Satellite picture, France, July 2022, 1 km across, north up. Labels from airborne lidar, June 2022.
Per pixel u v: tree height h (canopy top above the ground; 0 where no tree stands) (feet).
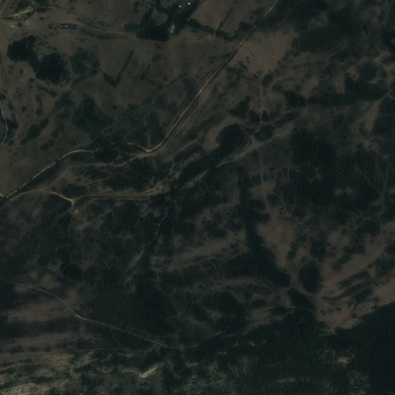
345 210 27
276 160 0
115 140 20
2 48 0
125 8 0
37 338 0
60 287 0
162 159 0
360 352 43
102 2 0
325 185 28
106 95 0
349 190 0
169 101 0
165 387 25
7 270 0
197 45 0
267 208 0
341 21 21
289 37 0
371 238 0
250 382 32
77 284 0
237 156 0
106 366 31
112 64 0
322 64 0
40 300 0
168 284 22
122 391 27
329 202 29
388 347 30
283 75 0
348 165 19
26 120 0
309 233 0
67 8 0
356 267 0
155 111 0
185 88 0
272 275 33
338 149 0
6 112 0
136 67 0
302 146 25
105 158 46
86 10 0
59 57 31
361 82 25
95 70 26
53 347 0
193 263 0
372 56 0
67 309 0
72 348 0
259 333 34
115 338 23
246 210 39
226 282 0
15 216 0
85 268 0
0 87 0
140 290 52
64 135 0
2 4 0
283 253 0
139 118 0
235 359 34
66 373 26
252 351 48
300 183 24
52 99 0
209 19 0
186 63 0
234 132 33
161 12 31
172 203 28
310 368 36
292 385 26
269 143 0
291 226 0
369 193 29
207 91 0
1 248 0
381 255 0
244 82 0
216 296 23
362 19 0
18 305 0
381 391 35
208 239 0
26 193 0
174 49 0
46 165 0
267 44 0
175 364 23
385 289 0
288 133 0
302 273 27
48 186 0
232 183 0
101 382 31
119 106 0
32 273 0
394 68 0
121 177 18
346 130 0
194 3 18
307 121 0
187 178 31
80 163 0
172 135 0
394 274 0
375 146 0
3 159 0
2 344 0
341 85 0
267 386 27
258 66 0
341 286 0
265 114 29
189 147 21
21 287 0
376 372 37
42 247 17
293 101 34
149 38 26
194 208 22
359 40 0
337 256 0
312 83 0
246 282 0
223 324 22
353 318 0
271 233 0
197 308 32
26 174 0
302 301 36
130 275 21
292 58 0
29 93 0
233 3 0
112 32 0
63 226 23
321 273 0
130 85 0
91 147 28
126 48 0
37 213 0
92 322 0
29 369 19
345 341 34
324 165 25
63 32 0
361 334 33
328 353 30
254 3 0
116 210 28
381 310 32
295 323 56
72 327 0
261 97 0
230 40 27
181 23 33
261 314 0
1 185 0
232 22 0
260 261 34
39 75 25
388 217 19
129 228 22
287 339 45
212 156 31
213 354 42
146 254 22
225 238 0
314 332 38
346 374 35
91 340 21
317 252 23
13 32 0
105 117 24
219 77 0
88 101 33
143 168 31
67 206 22
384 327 52
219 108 0
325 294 0
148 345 24
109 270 23
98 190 0
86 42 0
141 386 24
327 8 19
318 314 0
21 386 0
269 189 0
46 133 0
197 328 0
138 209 21
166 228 26
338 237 0
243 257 26
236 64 0
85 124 21
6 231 0
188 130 0
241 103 25
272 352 54
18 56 25
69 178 0
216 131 0
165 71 0
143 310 26
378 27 0
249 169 0
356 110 0
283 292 0
